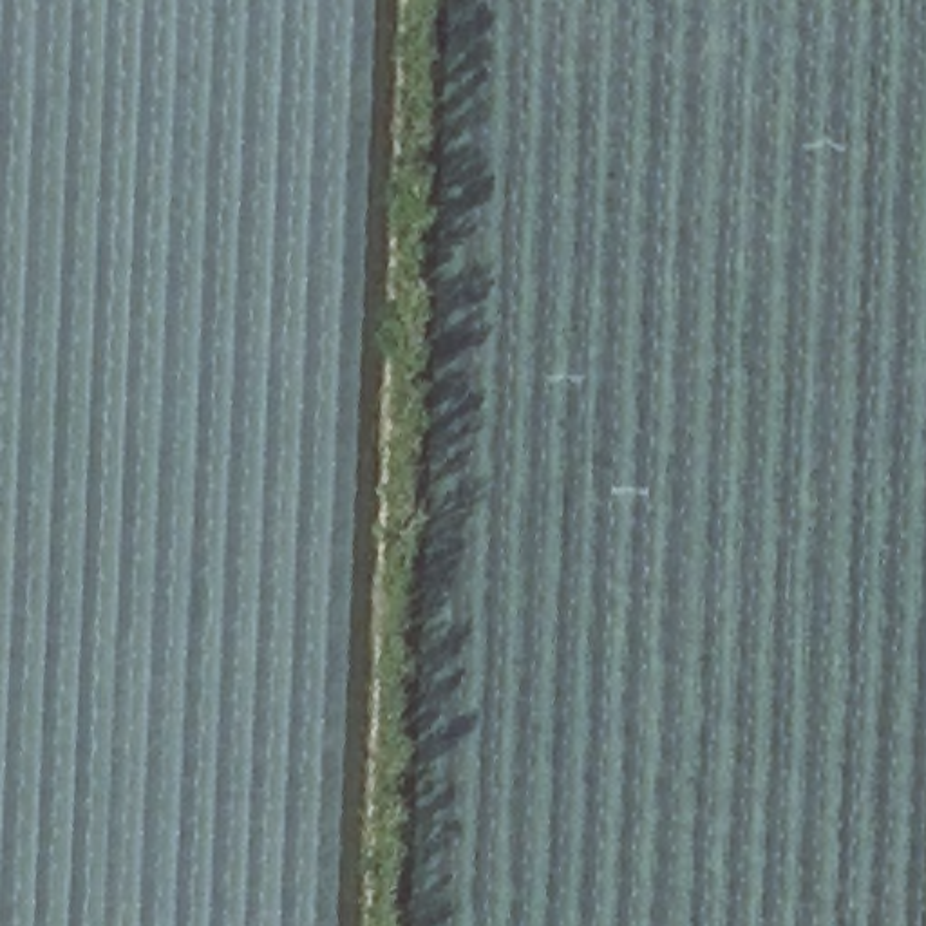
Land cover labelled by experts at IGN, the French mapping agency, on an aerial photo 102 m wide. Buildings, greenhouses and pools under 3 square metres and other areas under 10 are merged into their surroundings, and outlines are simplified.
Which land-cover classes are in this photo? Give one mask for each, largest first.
<instances>
[{"label":"deciduous trees","instance_id":"1","mask_svg":"<svg viewBox=\"0 0 926 926\"><path fill-rule=\"evenodd\" d=\"M926 546V0H0V926H908L915 770L912 738L919 698V615Z\"/></svg>","mask_w":926,"mask_h":926},{"label":"herbaceous vegetation","instance_id":"2","mask_svg":"<svg viewBox=\"0 0 926 926\"><path fill-rule=\"evenodd\" d=\"M915 770L908 926H926V546L919 615V698L912 738Z\"/></svg>","mask_w":926,"mask_h":926}]
</instances>
